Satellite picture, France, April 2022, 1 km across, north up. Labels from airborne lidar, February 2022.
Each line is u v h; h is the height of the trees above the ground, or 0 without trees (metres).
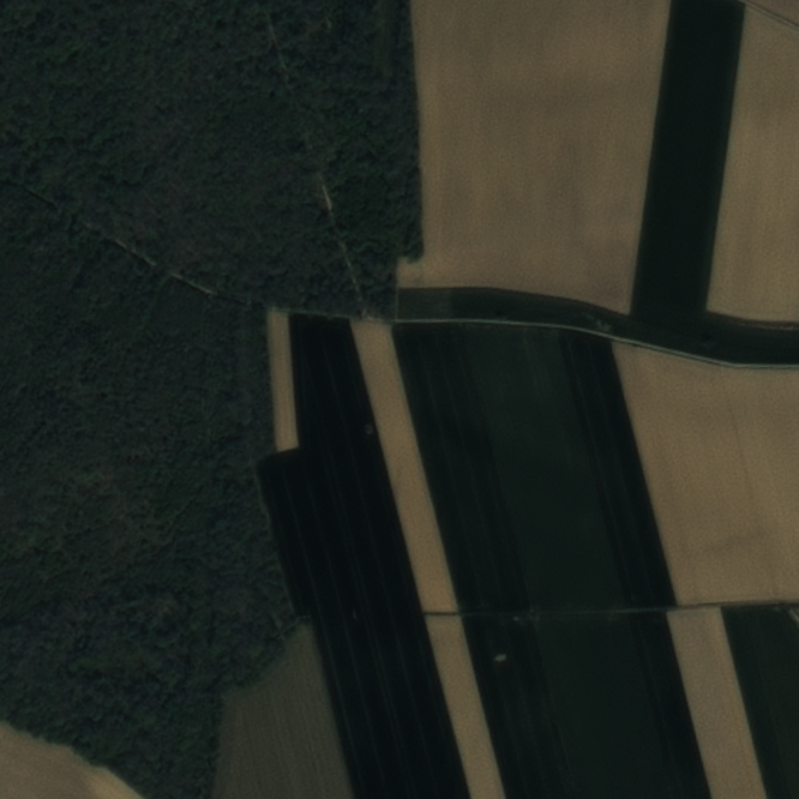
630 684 0
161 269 28
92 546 7
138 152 27
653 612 0
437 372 0
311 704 0
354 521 0
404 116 23
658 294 0
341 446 0
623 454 0
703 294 0
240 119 23
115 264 20
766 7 0
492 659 0
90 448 9
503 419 0
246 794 0
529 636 0
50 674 24
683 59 0
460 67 0
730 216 0
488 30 0
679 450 0
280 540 0
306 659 0
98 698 29
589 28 0
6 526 12
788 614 0
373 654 0
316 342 0
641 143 0
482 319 0
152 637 28
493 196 0
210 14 27
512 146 0
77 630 27
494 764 0
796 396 0
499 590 0
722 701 0
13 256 15
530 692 0
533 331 0
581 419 0
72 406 7
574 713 0
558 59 0
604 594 0
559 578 0
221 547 32
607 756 0
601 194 0
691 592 0
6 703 29
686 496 0
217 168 27
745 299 0
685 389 0
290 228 28
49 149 29
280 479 0
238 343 27
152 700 27
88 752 26
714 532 0
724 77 0
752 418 0
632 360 0
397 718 0
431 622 0
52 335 12
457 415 0
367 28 35
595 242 0
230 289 20
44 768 0
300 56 23
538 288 0
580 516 0
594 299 0
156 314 14
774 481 0
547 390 0
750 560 0
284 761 0
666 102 0
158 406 6
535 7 0
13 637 27
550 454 0
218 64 20
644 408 0
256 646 34
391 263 24
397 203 31
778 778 0
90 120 24
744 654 0
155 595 31
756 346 0
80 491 8
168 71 26
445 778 0
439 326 0
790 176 0
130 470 10
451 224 0
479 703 0
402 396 0
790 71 0
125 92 23
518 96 0
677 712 0
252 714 0
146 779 27
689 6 0
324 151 28
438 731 0
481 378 0
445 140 0
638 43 0
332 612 0
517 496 0
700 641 0
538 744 0
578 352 0
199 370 11
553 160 0
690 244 0
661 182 0
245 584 34
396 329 0
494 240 0
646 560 0
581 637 0
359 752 0
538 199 0
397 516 0
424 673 0
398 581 0
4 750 0
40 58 29
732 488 0
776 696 0
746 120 0
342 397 0
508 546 0
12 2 25
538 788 0
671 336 0
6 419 10
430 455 0
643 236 0
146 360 7
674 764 0
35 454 11
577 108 0
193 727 26
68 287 15
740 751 0
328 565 0
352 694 0
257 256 27
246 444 26
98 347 12
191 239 32
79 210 21
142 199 30
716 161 0
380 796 0
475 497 0
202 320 15
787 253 0
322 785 0
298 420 0
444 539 0
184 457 9
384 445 0
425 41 0
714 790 0
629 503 0
